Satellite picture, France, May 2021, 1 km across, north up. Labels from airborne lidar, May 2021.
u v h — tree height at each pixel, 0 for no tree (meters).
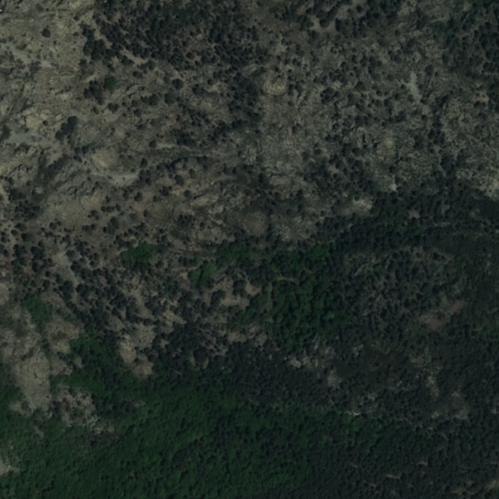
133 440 21
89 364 30
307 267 15
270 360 28
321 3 8
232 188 8
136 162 0
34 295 15
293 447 25
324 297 20
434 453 29
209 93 6
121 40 19
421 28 12
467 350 26
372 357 8
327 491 23
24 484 21
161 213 0
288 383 27
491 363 13
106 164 0
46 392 0
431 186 9
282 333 9
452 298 10
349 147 30
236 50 21
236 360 26
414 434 27
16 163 0
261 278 26
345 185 9
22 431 14
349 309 24
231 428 15
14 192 16
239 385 33
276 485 18
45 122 13
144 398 19
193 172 19
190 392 21
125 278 7
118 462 24
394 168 22
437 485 27
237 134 0
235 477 28
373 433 33
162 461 12
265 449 27
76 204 0
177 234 8
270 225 10
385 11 9
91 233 9
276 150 0
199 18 9
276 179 0
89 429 9
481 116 18
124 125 0
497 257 7
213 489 28
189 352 26
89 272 17
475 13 7
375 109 9
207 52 18
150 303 17
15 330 0
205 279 13
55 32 0
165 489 21
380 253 18
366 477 26
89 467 14
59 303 0
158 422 25
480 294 8
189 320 21
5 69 10
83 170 0
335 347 16
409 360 21
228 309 9
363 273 9
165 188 15
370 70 13
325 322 27
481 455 25
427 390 16
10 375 9
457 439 30
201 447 27
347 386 26
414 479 25
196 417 22
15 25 0
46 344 8
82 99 12
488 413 17
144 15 17
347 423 24
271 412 22
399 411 20
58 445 15
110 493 19
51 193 0
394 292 23
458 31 23
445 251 7
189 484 28
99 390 21
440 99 19
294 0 21
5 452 7
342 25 31
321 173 20
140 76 14
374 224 25
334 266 30
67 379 14
